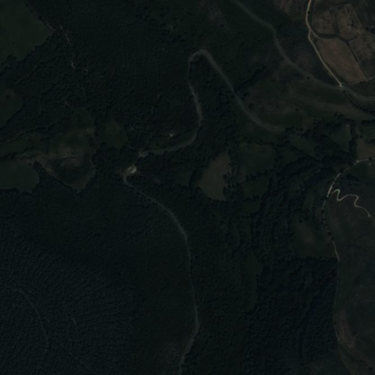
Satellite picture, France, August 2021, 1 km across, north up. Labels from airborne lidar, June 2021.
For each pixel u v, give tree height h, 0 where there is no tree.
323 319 22
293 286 14
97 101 18
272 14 0
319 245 0
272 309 18
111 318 21
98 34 13
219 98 12
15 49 0
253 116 0
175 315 13
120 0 14
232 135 20
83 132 0
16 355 16
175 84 14
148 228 8
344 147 0
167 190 25
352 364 0
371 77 0
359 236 0
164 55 10
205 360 21
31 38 0
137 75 13
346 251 0
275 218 7
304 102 0
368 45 0
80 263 14
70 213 8
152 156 17
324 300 24
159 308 12
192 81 18
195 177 18
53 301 15
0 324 15
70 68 18
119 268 13
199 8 0
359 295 0
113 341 16
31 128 13
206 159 16
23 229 12
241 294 18
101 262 13
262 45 0
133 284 18
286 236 10
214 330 18
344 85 0
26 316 18
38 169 19
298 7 0
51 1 19
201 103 13
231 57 0
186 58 10
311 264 26
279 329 17
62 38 8
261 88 0
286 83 0
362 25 0
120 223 14
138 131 12
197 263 18
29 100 13
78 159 0
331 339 17
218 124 20
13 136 17
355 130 14
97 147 0
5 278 15
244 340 16
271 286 17
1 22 0
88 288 16
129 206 8
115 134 0
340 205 0
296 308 8
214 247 19
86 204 17
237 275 14
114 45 11
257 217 12
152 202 9
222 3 0
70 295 16
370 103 0
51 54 13
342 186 0
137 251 14
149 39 11
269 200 15
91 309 17
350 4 0
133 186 12
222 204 15
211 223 16
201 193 19
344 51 0
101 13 11
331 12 0
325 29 0
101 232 11
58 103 21
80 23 9
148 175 10
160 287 13
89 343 18
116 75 11
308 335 19
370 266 0
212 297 15
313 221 7
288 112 0
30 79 11
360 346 0
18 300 12
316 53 0
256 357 19
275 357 9
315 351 26
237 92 24
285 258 11
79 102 17
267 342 18
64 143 0
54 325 20
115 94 18
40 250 14
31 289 19
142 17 15
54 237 15
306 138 21
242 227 17
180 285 14
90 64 15
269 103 0
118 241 15
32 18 0
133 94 16
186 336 11
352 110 0
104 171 15
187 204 17
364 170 0
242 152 0
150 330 13
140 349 17
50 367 14
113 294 14
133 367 16
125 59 7
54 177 0
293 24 0
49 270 16
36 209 14
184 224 15
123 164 13
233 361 17
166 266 15
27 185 0
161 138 8
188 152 12
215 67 0
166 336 11
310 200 0
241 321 20
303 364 13
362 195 0
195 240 16
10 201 14
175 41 12
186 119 16
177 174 10
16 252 18
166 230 11
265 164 0
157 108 17
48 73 13
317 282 14
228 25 0
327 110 0
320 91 0
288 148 14
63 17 13
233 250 9
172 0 0
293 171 18
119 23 8
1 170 0
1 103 0
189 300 14
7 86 15
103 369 18
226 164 0
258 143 7
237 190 15
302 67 0
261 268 0
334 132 19
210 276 15
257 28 0
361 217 0
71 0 19
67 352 14
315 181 14
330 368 0
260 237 27
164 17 12
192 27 6
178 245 11
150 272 16
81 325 19
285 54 0
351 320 0
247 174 0
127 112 19
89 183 0
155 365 15
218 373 20
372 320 0
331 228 0
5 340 17
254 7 0
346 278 0
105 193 18
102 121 23
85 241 15
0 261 15
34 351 18
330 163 21
